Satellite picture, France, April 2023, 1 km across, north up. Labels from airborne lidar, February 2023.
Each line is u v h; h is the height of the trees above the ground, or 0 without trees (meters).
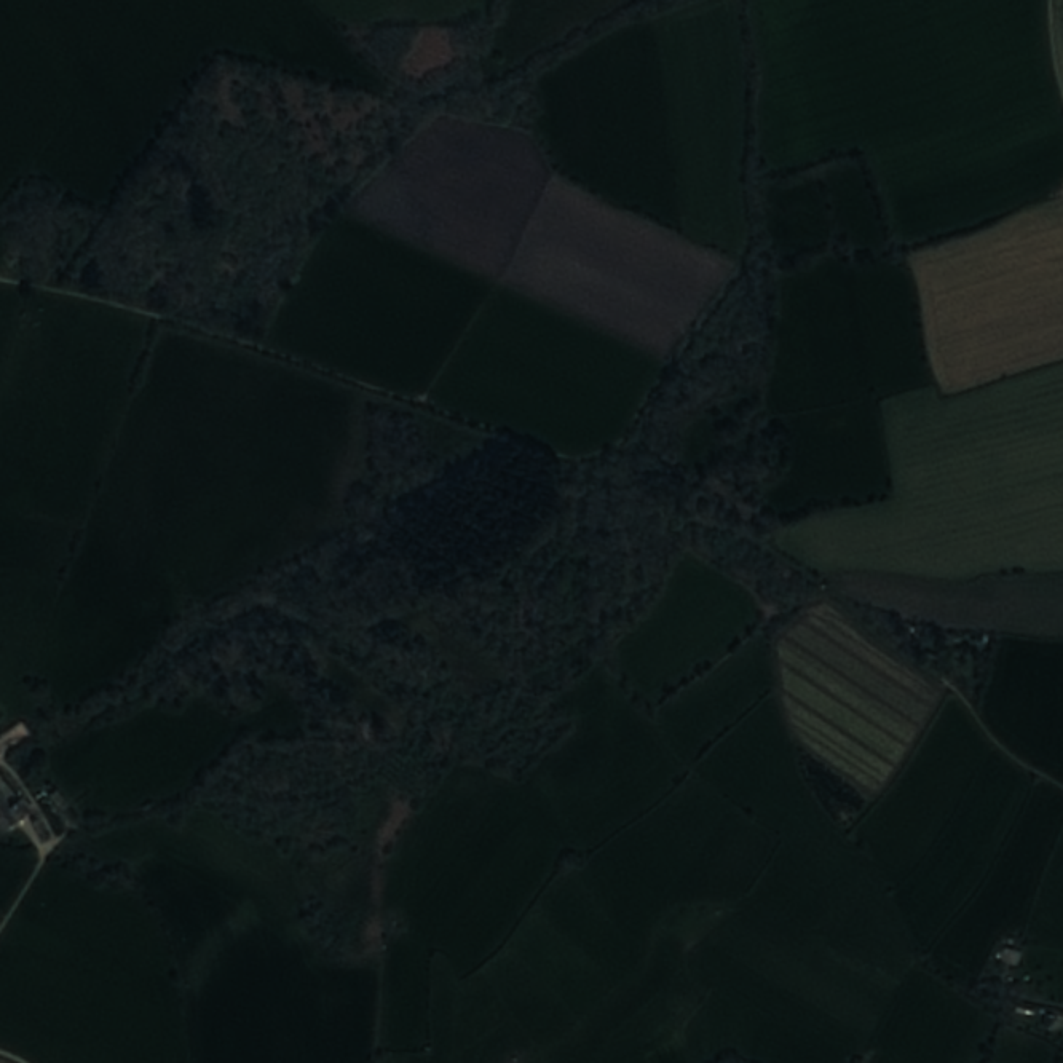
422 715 10
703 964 0
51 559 0
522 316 0
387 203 0
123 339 0
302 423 0
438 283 0
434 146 0
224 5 0
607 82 0
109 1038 0
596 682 0
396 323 0
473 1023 0
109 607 0
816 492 0
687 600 0
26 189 7
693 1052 0
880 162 0
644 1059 0
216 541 0
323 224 15
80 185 0
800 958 0
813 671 0
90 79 0
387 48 12
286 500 0
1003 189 0
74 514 0
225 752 10
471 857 0
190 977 0
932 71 0
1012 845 0
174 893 0
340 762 6
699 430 0
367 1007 0
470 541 20
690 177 0
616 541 17
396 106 9
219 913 0
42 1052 0
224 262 8
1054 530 0
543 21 0
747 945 0
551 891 0
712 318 9
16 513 0
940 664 11
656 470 14
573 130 0
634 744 0
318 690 18
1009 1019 14
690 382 22
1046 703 0
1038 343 0
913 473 0
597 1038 0
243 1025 0
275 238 13
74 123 0
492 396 0
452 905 0
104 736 0
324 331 0
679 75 0
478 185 0
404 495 7
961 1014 0
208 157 12
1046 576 0
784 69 0
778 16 0
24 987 0
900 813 0
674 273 0
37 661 0
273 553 0
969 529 0
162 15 0
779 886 0
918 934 0
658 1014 0
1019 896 0
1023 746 0
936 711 0
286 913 0
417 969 0
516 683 11
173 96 0
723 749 0
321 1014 0
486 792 0
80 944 0
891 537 0
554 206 0
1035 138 0
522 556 6
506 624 15
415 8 0
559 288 0
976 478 0
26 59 0
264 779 10
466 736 9
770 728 0
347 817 8
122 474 0
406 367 0
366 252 0
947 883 0
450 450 0
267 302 10
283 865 0
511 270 0
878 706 0
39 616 0
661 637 0
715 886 0
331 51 0
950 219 0
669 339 0
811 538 0
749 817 7
